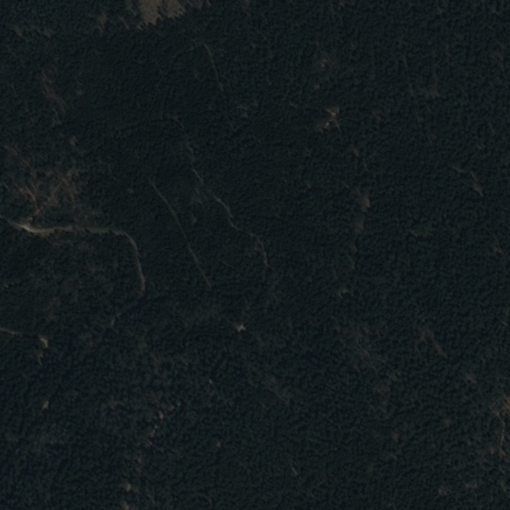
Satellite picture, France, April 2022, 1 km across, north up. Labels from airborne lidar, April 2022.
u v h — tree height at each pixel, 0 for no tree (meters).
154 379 10
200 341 15
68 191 31
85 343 20
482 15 24
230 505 23
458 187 24
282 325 21
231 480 26
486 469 27
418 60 23
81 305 17
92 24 21
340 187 21
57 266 17
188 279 23
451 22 17
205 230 21
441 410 21
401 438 8
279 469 24
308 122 22
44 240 8
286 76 18
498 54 25
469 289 25
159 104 23
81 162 28
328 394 17
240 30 19
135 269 22
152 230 20
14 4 21
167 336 26
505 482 21
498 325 23
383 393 22
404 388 23
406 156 20
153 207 20
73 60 19
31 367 29
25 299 11
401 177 21
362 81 15
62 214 31
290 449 26
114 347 18
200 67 18
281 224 25
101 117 20
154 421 0
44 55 22
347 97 23
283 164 16
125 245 25
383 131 10
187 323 21
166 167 22
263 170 21
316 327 22
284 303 22
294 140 22
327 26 17
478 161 29
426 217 22
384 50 18
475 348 27
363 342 22
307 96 20
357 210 21
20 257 14
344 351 28
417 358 27
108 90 21
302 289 22
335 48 21
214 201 18
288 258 20
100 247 19
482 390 23
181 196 18
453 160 25
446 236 22
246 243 21
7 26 21
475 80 20
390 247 23
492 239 27
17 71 21
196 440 27
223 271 15
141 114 24
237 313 23
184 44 19
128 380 28
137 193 18
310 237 26
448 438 22
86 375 19
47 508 22
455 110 19
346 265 25
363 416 27
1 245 22
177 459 24
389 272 13
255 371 28
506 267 19
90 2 22
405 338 25
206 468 28
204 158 18
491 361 27
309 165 17
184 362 30
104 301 14
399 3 25
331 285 21
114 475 21
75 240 16
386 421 28
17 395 29
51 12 23
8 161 19
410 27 18
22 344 18
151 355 24
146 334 15
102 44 23
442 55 26
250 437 21
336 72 23
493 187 22
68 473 21
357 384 24
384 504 21
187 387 33
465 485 15
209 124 18
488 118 30
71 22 21
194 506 30
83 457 22
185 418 24
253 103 11
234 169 17
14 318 10
